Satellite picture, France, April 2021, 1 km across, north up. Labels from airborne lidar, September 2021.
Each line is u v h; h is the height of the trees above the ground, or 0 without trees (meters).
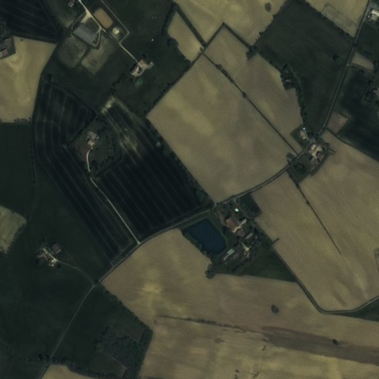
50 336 0
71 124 0
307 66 0
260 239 27
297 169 16
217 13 0
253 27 0
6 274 0
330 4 0
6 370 0
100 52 0
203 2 0
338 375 0
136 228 0
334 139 0
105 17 0
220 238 0
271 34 0
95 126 0
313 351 0
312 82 0
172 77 0
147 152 0
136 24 0
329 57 0
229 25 0
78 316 0
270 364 0
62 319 0
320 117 0
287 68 8
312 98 0
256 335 0
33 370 0
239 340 0
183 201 0
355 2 0
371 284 0
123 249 0
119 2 0
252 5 0
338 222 0
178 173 0
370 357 0
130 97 0
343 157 0
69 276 0
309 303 0
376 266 0
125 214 0
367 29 0
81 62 0
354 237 0
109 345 14
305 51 0
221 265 10
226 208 12
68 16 0
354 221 0
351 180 0
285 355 0
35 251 0
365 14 0
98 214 0
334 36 0
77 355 0
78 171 0
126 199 0
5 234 0
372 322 0
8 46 0
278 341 0
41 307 0
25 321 0
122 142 0
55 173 0
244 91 0
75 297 0
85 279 0
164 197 0
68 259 0
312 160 0
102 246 0
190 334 0
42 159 0
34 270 0
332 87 0
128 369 13
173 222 0
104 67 0
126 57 0
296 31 0
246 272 0
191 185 15
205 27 0
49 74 0
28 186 0
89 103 0
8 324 0
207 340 0
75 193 0
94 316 0
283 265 0
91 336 0
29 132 0
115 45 0
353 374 0
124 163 0
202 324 12
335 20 0
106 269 0
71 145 9
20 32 0
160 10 0
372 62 16
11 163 0
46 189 0
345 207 0
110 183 0
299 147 0
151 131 24
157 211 0
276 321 0
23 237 0
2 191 0
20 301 0
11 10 0
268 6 11
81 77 0
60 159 0
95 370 0
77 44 0
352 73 0
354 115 0
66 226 0
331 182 0
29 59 0
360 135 0
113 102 0
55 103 0
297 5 0
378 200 0
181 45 0
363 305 0
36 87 0
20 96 0
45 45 0
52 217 0
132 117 0
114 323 0
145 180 0
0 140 0
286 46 0
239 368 0
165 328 0
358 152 0
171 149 21
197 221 0
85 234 0
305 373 0
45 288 0
